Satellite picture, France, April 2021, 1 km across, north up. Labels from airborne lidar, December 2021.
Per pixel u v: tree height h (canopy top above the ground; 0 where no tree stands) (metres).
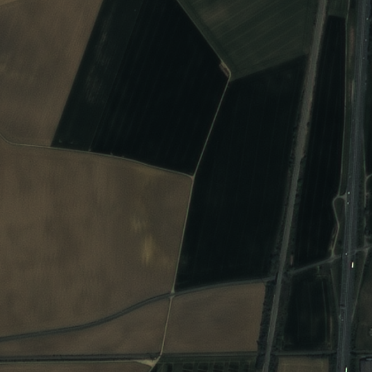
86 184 0
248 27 0
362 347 0
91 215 0
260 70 0
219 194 0
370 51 9
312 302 0
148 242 0
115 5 0
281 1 0
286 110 0
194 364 0
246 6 0
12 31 0
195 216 0
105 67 0
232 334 0
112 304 0
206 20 0
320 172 0
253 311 0
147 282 0
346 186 0
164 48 0
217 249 0
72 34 0
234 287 0
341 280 0
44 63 0
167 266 0
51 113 0
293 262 0
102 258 0
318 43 0
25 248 0
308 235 0
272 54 0
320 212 0
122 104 0
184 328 0
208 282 0
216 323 0
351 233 0
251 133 0
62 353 0
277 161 0
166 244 0
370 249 0
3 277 0
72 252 0
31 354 0
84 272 0
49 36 0
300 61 0
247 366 0
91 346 0
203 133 0
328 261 0
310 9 0
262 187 0
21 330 0
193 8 0
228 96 0
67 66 0
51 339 0
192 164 0
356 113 0
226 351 0
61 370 0
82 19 0
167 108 0
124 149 0
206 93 0
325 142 0
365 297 0
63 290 0
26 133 0
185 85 0
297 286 0
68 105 0
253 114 0
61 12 0
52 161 0
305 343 0
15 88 0
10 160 0
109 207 0
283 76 0
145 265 0
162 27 0
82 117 0
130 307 0
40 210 0
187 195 0
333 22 0
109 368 0
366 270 0
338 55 0
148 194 0
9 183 0
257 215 0
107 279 0
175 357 0
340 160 0
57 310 0
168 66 0
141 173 0
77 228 0
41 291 0
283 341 0
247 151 0
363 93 0
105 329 0
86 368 0
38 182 0
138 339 0
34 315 0
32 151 0
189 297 0
